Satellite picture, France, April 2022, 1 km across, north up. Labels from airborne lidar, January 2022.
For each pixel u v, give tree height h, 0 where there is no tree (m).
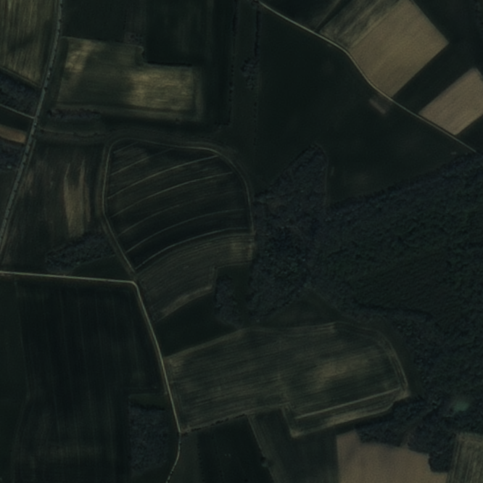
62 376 0
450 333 13
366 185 0
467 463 0
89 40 0
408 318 27
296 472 0
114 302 0
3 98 9
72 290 0
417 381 0
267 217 8
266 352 0
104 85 0
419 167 0
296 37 0
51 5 0
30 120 0
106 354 0
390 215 24
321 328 0
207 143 0
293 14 0
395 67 0
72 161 0
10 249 0
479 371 23
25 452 0
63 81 0
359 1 0
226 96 0
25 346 0
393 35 0
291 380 0
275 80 0
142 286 0
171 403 0
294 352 0
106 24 0
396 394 0
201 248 0
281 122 0
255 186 0
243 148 0
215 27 0
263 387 0
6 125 0
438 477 0
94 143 0
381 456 0
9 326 0
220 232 0
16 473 0
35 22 0
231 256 0
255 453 0
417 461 0
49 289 0
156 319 0
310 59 0
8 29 0
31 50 0
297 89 0
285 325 0
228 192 0
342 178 0
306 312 0
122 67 0
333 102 0
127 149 0
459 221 23
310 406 0
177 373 0
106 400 0
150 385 0
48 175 0
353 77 0
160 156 0
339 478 0
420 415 18
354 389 0
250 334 0
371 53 0
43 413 0
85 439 0
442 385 23
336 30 0
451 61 0
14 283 0
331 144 0
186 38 0
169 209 0
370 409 0
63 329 0
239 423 0
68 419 0
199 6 0
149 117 0
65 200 0
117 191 0
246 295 0
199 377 0
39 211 0
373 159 0
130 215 0
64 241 0
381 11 0
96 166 0
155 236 0
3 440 0
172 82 0
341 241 25
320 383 0
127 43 0
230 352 0
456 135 0
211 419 0
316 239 20
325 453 0
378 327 0
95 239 17
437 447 25
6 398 0
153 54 0
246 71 14
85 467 0
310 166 17
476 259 24
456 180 25
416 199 26
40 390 0
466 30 0
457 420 24
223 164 0
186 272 0
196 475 0
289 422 0
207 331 0
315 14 0
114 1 0
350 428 0
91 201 0
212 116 0
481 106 0
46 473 0
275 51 0
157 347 0
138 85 0
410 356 0
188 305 0
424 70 0
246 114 0
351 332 0
